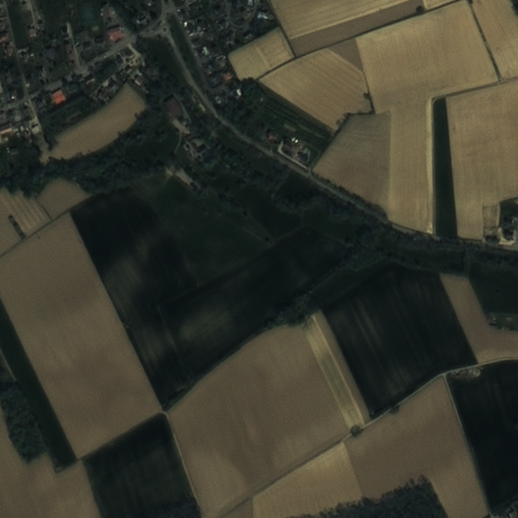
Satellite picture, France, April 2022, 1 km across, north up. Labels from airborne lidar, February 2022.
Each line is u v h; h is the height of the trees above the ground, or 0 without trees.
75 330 0
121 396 0
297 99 0
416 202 0
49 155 0
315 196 16
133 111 0
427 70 0
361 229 0
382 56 0
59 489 0
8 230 0
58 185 0
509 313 0
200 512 23
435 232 0
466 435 0
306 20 0
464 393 0
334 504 0
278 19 0
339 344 0
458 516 0
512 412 0
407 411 0
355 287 0
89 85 8
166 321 0
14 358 0
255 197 0
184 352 0
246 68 0
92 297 0
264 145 0
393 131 0
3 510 0
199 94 0
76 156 0
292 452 0
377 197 0
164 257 0
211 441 0
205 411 0
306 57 0
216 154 23
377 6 0
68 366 0
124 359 0
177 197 0
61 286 0
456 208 0
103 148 0
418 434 0
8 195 0
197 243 0
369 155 0
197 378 0
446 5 0
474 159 0
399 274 0
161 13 0
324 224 0
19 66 0
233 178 0
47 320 0
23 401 26
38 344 0
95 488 0
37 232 0
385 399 0
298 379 0
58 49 8
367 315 0
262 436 0
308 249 0
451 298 0
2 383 0
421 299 0
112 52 0
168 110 11
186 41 0
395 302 0
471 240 0
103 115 0
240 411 0
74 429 0
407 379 0
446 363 0
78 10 0
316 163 0
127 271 0
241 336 0
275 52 0
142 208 0
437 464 0
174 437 0
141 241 0
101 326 0
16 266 0
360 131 0
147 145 0
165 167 17
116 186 18
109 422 0
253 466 0
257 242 0
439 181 0
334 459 0
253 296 0
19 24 0
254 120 20
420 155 0
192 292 0
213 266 0
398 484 0
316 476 0
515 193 0
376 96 0
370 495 0
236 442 0
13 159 0
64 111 23
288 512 0
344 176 0
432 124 0
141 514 0
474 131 0
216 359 0
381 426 0
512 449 0
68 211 0
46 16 0
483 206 0
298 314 23
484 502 0
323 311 0
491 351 0
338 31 0
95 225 0
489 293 0
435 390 0
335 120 0
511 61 0
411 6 0
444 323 0
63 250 0
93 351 0
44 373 0
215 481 0
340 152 0
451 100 0
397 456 0
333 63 0
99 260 0
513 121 0
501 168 0
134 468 0
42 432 16
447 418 0
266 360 0
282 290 0
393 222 0
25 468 0
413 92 0
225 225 0
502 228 0
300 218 0
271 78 0
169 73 14
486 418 0
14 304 0
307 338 0
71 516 0
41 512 0
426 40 0
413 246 21
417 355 0
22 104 0
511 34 0
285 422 0
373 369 0
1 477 0
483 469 0
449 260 0
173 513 25
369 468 0
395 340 0
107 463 0
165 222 0
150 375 0
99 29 0
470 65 0
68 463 0
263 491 0
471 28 0
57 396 0
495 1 0
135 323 0
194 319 0
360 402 0
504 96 0
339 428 0
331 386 0
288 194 0
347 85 0
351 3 0
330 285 0
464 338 0
